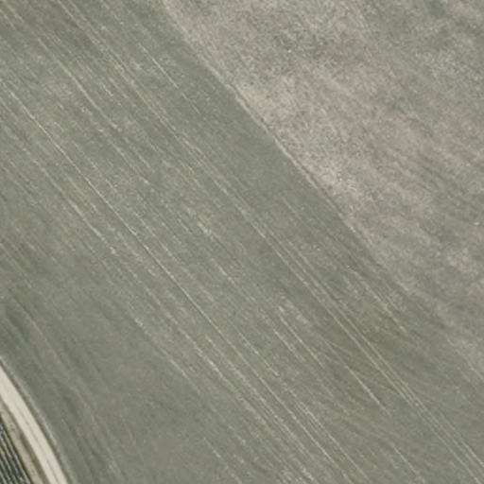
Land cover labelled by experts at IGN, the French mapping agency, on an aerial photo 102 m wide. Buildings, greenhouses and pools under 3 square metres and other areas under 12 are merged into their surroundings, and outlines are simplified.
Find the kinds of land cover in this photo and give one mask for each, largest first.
<instances>
[{"label":"agricultural land","instance_id":"1","mask_svg":"<svg viewBox=\"0 0 484 484\"><path fill-rule=\"evenodd\" d=\"M0 369L8 376L11 386L23 399L34 422L38 423L43 439L51 448L60 471L66 478V484H484V0H0Z\"/></svg>","mask_w":484,"mask_h":484},{"label":"vineyard","instance_id":"2","mask_svg":"<svg viewBox=\"0 0 484 484\"><path fill-rule=\"evenodd\" d=\"M0 484H51L36 452L32 450L30 442L26 441L17 418L13 416V412L0 395Z\"/></svg>","mask_w":484,"mask_h":484},{"label":"pervious surface","instance_id":"3","mask_svg":"<svg viewBox=\"0 0 484 484\"><path fill-rule=\"evenodd\" d=\"M0 395L13 412V416L17 418L26 441L30 442L32 450L36 452L51 484H66V478L60 471L51 448L43 439L38 423L34 422L23 399L11 386L8 376L0 369Z\"/></svg>","mask_w":484,"mask_h":484}]
</instances>
